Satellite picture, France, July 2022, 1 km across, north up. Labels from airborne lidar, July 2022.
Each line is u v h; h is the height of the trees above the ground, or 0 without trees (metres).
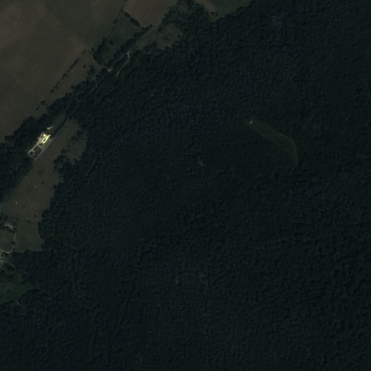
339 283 25
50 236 13
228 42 14
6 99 0
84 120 18
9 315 14
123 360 28
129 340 23
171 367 19
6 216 7
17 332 35
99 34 0
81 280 19
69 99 18
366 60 21
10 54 0
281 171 28
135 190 21
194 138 23
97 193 16
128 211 22
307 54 19
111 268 20
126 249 24
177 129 27
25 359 22
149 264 21
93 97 6
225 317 11
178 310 18
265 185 27
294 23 32
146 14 0
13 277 10
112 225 13
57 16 0
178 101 21
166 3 0
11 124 0
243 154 21
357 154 31
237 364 22
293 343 19
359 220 12
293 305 21
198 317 20
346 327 26
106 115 21
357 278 29
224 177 22
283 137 0
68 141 0
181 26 10
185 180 19
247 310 21
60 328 23
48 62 0
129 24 0
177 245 24
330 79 21
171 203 18
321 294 9
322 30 20
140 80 22
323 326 19
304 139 26
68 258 24
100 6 0
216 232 23
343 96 25
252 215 22
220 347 12
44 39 0
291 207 28
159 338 21
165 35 0
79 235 13
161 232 21
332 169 15
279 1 10
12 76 0
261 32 26
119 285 24
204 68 26
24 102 0
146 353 24
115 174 19
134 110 11
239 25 15
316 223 29
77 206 21
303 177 21
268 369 19
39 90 0
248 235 26
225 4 0
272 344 16
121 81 12
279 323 17
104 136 19
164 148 20
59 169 8
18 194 0
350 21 20
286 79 15
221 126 19
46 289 20
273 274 22
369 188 29
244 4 0
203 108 21
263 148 20
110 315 23
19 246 0
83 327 21
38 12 0
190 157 22
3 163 23
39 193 0
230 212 27
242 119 8
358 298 29
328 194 29
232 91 21
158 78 18
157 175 25
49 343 21
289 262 25
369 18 24
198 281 17
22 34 0
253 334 16
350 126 28
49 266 17
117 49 0
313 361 22
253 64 25
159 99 17
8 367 22
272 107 23
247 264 23
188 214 11
